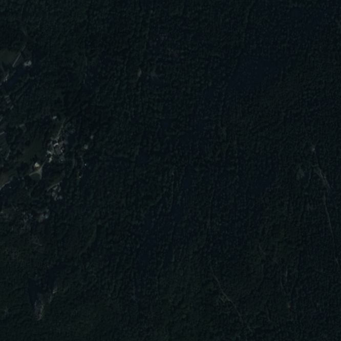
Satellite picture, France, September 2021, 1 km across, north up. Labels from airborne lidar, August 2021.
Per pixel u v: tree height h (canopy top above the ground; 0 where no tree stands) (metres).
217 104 16
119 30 33
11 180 0
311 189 16
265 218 15
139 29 24
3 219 10
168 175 17
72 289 10
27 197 12
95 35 22
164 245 16
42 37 27
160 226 23
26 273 12
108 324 14
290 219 18
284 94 21
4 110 13
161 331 12
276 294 17
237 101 17
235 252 16
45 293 23
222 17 18
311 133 13
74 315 6
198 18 22
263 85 15
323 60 15
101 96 25
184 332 25
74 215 16
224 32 18
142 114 17
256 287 15
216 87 15
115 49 25
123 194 21
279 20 22
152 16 19
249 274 17
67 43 29
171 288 17
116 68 21
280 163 22
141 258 12
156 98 16
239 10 21
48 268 13
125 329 24
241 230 12
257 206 13
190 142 22
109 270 19
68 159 7
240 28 25
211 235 9
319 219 16
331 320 19
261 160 21
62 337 13
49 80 26
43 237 11
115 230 29
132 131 26
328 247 17
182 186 12
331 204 15
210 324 24
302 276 26
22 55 0
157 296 12
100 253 19
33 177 0
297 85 19
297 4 25
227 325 21
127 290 15
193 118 12
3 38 21
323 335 16
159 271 10
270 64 21
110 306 11
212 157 15
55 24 24
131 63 20
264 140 21
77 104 24
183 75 16
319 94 28
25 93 14
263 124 22
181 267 11
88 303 18
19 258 11
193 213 17
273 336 28
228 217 16
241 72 17
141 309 17
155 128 23
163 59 26
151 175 20
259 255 15
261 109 20
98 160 16
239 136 26
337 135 16
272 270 22
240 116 16
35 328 15
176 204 16
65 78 26
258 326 15
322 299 28
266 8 16
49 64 18
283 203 18
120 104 14
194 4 23
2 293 11
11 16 21
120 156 23
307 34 13
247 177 21
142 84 19
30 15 16
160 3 17
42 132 22
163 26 29
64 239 14
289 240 12
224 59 15
